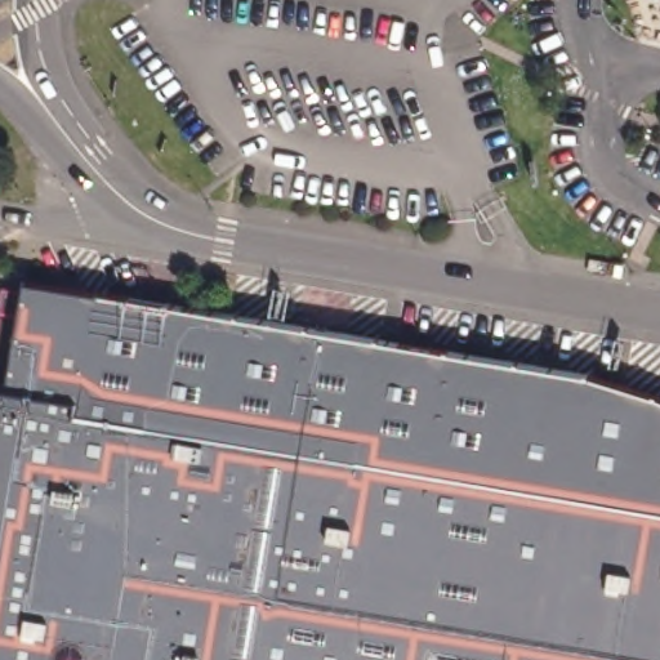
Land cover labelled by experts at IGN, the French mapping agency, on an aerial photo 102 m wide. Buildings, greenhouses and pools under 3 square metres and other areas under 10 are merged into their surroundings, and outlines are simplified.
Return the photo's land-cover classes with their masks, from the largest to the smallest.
<instances>
[{"label":"building","instance_id":"1","mask_svg":"<svg viewBox=\"0 0 660 660\"><path fill-rule=\"evenodd\" d=\"M0 660H660V402L575 374L428 353L299 327H273L250 320L209 317L137 302L85 299L36 289L21 291L8 374L0 382Z\"/></svg>","mask_w":660,"mask_h":660},{"label":"impervious surface","instance_id":"2","mask_svg":"<svg viewBox=\"0 0 660 660\"><path fill-rule=\"evenodd\" d=\"M88 0H0V126H5L8 131L13 129L15 134H21L36 160V201L28 206L0 201V242H18L15 268L10 276L0 278V382L8 374L21 291L36 289L85 299L137 302L209 317L250 320L273 327H299L428 353L575 374L660 402V273L647 271V245L655 229L660 232V173L639 168V157L626 150L621 139V126L626 121L639 124L642 139L650 142L652 124L657 116L650 106H645V101L660 90V0H626L632 13L637 15V34L624 36L619 23H608L603 18V0H531V54L521 57L518 52L487 39L485 34L495 13H505L508 8H513L516 0H121L131 5V18L111 31L113 39L129 54L147 90H152L157 101L165 103L168 113L193 142V150L201 152V160L211 165L214 173L237 180V201L224 204L209 199L204 191L193 193L168 180L113 121L111 111L103 106L101 95L90 85L88 70L83 67L77 52L75 15ZM492 52L505 62L521 64L529 83L536 75H565L570 95L565 98L562 111L554 121L549 142L554 147L552 165L557 186L552 196H565L575 209L578 219L588 222L593 232L608 235L611 240L626 245L624 258L619 260L614 255L601 253H588L585 258H567L534 250L505 209L503 183L516 175V147L505 134V113L492 90L487 62L480 59V54ZM250 193L296 201L387 214L392 219L389 229L379 232L369 224L325 222L320 217H296L291 211L248 209L253 204ZM436 214H449L451 237L433 245L418 235V222L423 217ZM183 273H196L211 281L214 286L227 281L229 289H235L232 302L224 307L206 309L191 307V302L183 294H178V286L170 284L173 276Z\"/></svg>","mask_w":660,"mask_h":660},{"label":"herbaceous vegetation","instance_id":"3","mask_svg":"<svg viewBox=\"0 0 660 660\"><path fill-rule=\"evenodd\" d=\"M131 18V5L121 0H88L75 15L77 52L83 67L88 70L90 85L101 95L103 106L111 111L113 121L168 180L193 193L204 191L209 199L224 204L237 201V180L214 173L211 165L201 160V152L193 150V142L168 113L165 103L157 101L152 90H147L129 54L113 39L111 31ZM531 0H516L513 8H508L505 13H495L485 34L487 39L518 52L521 57L531 54ZM603 18L608 23H619L624 36L637 34V15L632 13L626 0H603ZM480 59L487 62L492 90L505 113V134L516 147L526 139L534 152L531 173L521 178L516 175L503 183L505 209L534 250L567 258H585L588 253H601L614 255L619 260L624 258L626 245L611 240L608 235L593 232L588 222L578 219L575 209L565 196H552L557 186L552 165L554 147L549 142L554 121L549 113L539 111V103L529 83L521 64L505 62L492 52L480 54ZM8 142L15 157V175L10 188L0 193V201L28 206L36 201V160L21 134H15L13 129L8 131ZM253 204L248 209L291 211V204L296 201L250 193ZM647 271L660 273V232L655 229L647 245Z\"/></svg>","mask_w":660,"mask_h":660},{"label":"brushwood","instance_id":"4","mask_svg":"<svg viewBox=\"0 0 660 660\"><path fill-rule=\"evenodd\" d=\"M645 106H650L657 116L652 124L650 142L642 139L639 124L626 121L621 126V139L626 150L639 157V168L660 173V90L645 101ZM534 152L526 139L516 147V175L521 178L531 173ZM296 217H320L325 222L369 224L379 232L389 229L392 219L387 214L296 201L291 204V211ZM418 235L433 245L451 237L449 214H436L423 217L418 222Z\"/></svg>","mask_w":660,"mask_h":660},{"label":"deciduous trees","instance_id":"5","mask_svg":"<svg viewBox=\"0 0 660 660\"><path fill-rule=\"evenodd\" d=\"M539 103V111L549 113L554 121L562 111L565 98L570 95L565 75H536L529 83ZM15 175V157L8 142V131L5 126H0V193L10 188ZM18 242H0V278L10 276L15 268ZM170 284L178 286V294H183L191 302V307L206 309L224 307L232 302L235 289H229L227 281L214 286L211 281L196 273H183L173 276Z\"/></svg>","mask_w":660,"mask_h":660}]
</instances>
